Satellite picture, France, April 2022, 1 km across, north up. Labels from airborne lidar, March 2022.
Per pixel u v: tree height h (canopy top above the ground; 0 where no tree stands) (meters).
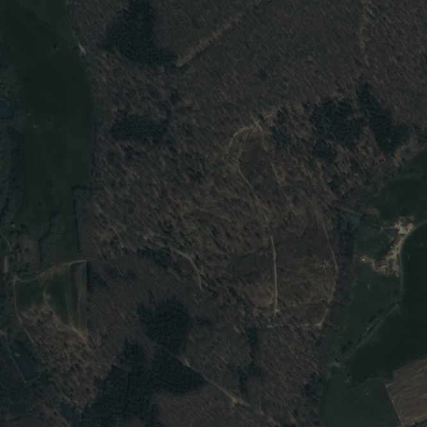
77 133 0
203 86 28
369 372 0
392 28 26
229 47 28
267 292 0
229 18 24
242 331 20
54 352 22
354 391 0
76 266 0
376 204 0
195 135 30
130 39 36
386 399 0
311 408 35
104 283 32
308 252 7
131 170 28
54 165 0
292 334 29
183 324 30
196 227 0
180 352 29
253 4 27
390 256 0
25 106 0
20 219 0
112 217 27
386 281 0
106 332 27
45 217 0
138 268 25
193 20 29
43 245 19
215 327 13
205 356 23
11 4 0
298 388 29
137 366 22
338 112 26
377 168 26
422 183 0
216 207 0
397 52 27
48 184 0
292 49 27
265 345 26
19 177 27
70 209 0
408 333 0
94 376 31
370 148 23
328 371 24
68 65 0
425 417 0
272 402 28
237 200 0
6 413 10
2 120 13
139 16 25
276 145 27
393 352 0
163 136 27
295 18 27
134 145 27
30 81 0
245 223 0
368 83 25
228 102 31
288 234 27
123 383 23
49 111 0
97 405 18
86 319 0
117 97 24
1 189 16
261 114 28
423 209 0
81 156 0
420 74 27
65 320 0
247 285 8
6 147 16
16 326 27
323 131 27
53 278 0
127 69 27
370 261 0
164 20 29
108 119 26
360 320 0
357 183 26
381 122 33
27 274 13
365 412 0
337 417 0
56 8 0
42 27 0
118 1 32
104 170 26
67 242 0
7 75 25
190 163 23
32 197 0
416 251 0
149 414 25
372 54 23
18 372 16
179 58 23
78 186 0
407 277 0
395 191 0
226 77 28
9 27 0
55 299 0
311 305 7
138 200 30
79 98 0
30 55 0
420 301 0
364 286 0
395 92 24
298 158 24
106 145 26
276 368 28
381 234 0
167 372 25
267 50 26
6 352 24
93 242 27
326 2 27
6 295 7
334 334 27
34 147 0
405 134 33
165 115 27
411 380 0
